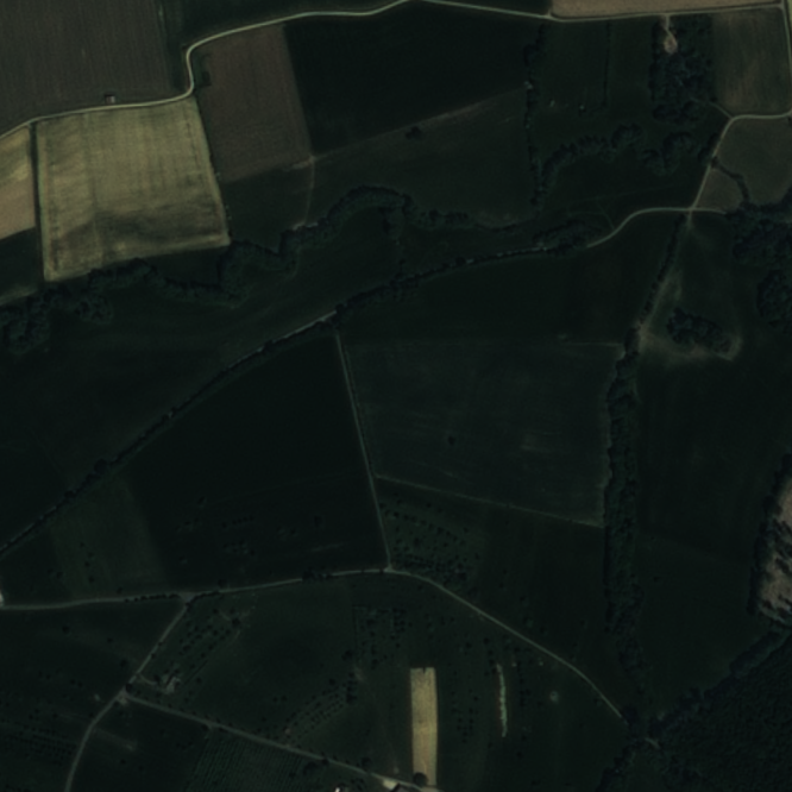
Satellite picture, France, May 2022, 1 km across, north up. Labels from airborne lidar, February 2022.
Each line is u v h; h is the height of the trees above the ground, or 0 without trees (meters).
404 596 0
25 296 0
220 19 0
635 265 0
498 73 0
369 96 0
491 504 0
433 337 0
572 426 0
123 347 0
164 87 0
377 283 0
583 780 0
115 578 0
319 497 0
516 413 0
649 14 0
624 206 0
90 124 0
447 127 0
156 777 0
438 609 0
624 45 0
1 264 0
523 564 0
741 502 0
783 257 23
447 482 0
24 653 0
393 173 0
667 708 0
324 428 0
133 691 11
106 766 0
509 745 0
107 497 0
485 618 0
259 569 0
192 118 0
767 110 0
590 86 0
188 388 0
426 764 0
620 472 16
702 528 0
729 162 0
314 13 0
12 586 0
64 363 0
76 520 0
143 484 0
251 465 0
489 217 0
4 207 0
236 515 0
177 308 0
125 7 0
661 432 0
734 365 0
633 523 15
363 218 0
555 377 0
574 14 0
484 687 0
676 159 18
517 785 0
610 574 14
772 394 0
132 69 0
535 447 0
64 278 0
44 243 0
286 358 0
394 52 0
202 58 0
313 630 0
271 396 0
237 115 0
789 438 0
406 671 0
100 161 0
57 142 0
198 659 0
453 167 0
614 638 7
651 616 0
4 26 0
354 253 0
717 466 0
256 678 0
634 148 12
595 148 21
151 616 0
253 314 0
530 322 0
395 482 0
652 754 22
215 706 0
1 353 0
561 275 0
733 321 0
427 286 0
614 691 0
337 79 0
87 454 0
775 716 21
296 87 0
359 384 0
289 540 0
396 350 0
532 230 0
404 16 0
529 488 0
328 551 0
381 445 0
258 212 0
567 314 0
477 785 0
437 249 0
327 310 0
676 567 0
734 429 0
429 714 0
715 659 0
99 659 0
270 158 0
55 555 0
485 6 0
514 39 0
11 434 0
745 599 0
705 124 0
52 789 0
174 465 0
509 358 0
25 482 0
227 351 0
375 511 0
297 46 0
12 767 0
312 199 0
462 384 0
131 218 0
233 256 19
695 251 0
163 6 0
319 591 0
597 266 0
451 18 0
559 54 0
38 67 0
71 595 0
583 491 0
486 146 0
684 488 0
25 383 0
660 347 0
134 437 0
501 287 0
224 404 0
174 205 0
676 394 0
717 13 0
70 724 0
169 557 0
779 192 0
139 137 0
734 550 0
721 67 0
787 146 0
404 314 0
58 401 0
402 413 0
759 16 0
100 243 0
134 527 0
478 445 0
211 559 0
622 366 14
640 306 0
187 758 0
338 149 0
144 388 0
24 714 0
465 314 0
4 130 0
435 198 0
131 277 19
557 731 0
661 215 0
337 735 0
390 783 0
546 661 0
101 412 0
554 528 0
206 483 0
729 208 0
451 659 0
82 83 0
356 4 0
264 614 0
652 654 0
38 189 0
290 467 0
